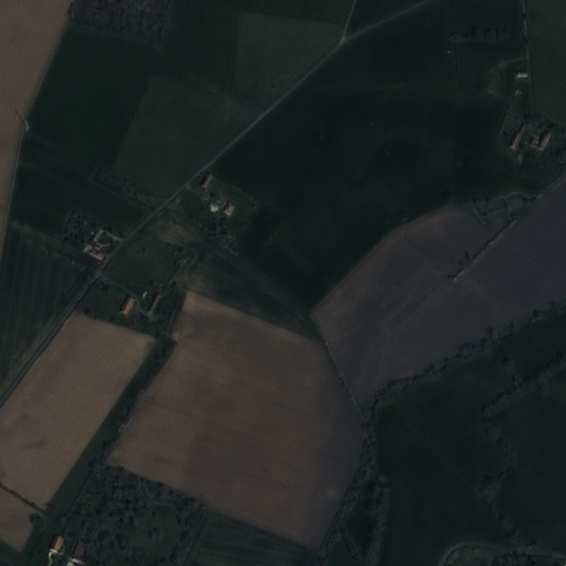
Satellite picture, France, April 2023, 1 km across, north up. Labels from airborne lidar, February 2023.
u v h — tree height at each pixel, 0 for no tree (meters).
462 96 0
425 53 0
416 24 0
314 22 0
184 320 0
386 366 0
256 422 0
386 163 0
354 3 0
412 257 0
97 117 0
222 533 0
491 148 0
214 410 0
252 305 0
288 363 0
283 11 0
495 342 12
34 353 0
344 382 7
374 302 0
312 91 0
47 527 18
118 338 0
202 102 0
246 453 0
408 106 0
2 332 0
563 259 0
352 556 16
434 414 0
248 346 0
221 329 0
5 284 0
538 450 0
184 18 0
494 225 0
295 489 0
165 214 0
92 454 0
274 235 0
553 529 0
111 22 12
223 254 0
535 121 14
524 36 0
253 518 0
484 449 0
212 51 0
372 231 0
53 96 0
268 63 0
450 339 0
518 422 0
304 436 0
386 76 0
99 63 0
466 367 0
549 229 0
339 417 0
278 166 0
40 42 0
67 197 0
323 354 0
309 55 0
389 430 0
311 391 0
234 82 0
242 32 0
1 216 0
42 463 0
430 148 0
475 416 0
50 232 0
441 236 0
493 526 0
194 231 0
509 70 0
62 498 0
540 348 0
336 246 0
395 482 0
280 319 0
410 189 0
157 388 0
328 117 0
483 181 0
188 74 0
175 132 0
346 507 11
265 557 0
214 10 0
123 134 0
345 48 0
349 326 0
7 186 0
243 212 0
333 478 0
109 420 0
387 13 0
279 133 0
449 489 0
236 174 0
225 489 0
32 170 0
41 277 0
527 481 0
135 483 17
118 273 0
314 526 0
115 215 0
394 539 0
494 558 0
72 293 0
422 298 0
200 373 0
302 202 0
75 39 0
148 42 9
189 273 0
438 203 0
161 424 0
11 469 0
